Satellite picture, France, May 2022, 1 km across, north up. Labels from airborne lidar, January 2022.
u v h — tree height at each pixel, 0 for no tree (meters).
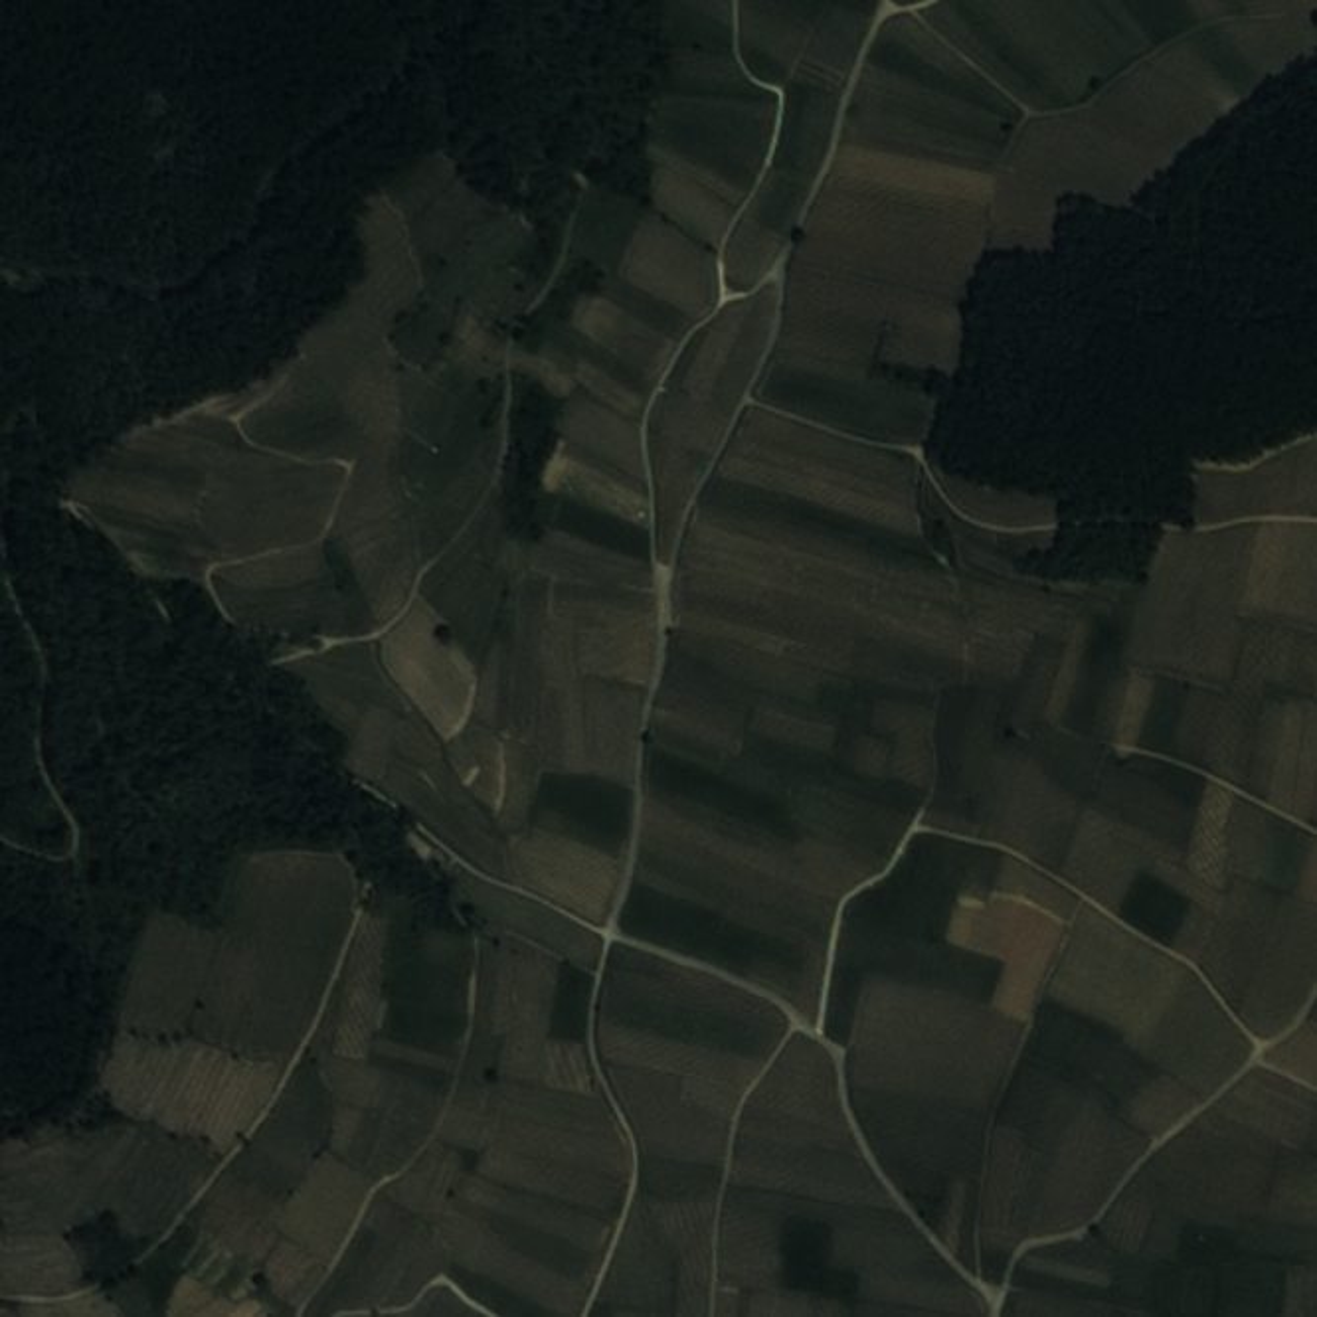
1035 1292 0
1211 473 0
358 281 11
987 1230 0
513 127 14
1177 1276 0
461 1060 0
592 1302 0
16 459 23
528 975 0
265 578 0
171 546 0
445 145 17
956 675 0
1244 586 0
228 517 0
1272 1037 0
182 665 21
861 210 0
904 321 0
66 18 18
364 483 0
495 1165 0
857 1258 0
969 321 13
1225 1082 0
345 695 0
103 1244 7
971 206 0
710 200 0
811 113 0
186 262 14
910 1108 0
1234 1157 0
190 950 0
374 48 17
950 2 0
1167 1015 0
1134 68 0
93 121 10
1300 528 0
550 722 0
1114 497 12
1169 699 0
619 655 0
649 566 0
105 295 12
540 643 0
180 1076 0
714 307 0
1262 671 0
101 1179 0
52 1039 18
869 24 0
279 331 9
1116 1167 0
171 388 11
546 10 19
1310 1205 0
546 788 0
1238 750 0
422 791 0
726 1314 0
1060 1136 0
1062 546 9
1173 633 0
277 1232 0
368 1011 0
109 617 25
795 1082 0
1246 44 0
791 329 0
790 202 0
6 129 16
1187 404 12
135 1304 0
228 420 0
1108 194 0
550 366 0
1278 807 0
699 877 0
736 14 0
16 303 14
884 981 0
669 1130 0
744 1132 0
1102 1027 0
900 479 0
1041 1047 0
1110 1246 0
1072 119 0
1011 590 0
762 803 0
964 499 0
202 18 15
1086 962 0
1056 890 0
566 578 0
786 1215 0
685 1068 0
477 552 0
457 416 0
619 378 0
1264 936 0
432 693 0
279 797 22
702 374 0
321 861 0
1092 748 0
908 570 0
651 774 0
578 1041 0
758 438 0
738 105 0
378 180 16
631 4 16
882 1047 0
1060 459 14
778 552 0
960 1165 0
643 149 7
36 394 17
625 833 0
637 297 0
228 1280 0
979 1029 0
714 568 0
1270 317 12
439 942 0
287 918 0
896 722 0
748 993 0
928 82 0
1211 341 15
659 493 0
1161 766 0
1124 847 0
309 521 0
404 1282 0
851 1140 0
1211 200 14
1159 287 13
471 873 0
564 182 9
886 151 0
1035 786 0
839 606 0
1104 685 0
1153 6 0
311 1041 0
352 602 0
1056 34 0
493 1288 0
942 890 0
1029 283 13
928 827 0
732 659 0
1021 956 0
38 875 11
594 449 0
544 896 0
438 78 9
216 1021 0
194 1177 0
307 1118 0
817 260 0
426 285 0
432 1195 0
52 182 11
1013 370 11
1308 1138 0
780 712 0
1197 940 0
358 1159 0
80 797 19
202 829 20
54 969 13
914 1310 0
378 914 0
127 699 21
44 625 21
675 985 0
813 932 0
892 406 0
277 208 16
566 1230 0
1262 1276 0
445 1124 0
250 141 16
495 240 0
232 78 15
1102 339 13
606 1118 0
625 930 0
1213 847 0
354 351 0
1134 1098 0
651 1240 0
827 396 0
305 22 19
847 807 0
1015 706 0
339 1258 0
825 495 0
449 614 0
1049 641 0
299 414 0
